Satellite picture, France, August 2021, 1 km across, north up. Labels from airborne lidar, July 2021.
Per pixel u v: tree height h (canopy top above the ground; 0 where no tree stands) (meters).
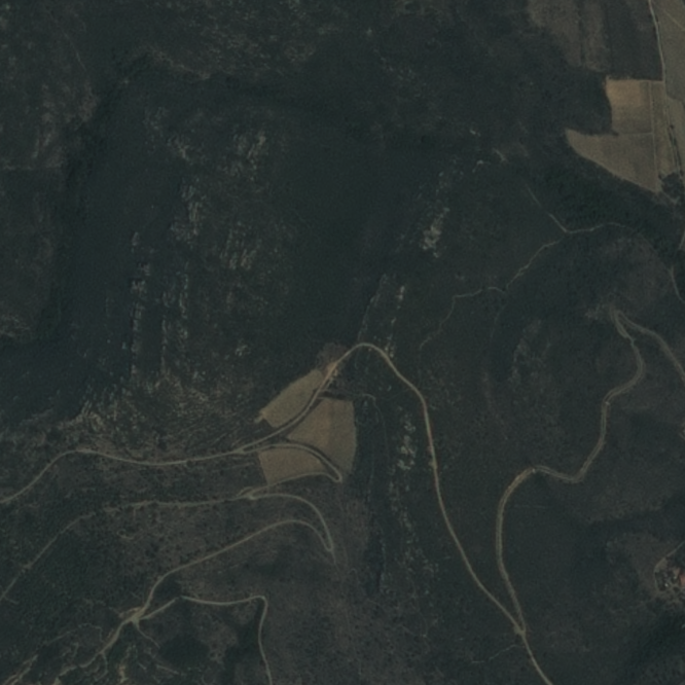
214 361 0
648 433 0
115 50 10
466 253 0
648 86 0
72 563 7
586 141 0
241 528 6
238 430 0
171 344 0
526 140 7
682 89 0
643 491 0
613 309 0
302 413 0
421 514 0
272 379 0
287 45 0
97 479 6
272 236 0
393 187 0
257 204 0
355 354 0
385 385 0
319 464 0
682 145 0
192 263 0
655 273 0
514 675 0
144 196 0
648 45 0
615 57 0
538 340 0
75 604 9
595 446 0
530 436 0
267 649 0
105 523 7
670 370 0
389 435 0
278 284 0
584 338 0
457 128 0
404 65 0
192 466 8
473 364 0
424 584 0
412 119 0
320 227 0
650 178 0
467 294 0
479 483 0
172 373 0
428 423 0
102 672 5
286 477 0
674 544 0
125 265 0
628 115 0
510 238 0
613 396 0
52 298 5
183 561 9
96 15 0
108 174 0
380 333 0
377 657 0
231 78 12
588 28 0
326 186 0
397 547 0
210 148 0
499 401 0
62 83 0
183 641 7
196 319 0
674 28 0
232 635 0
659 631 8
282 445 0
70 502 6
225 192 0
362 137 5
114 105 7
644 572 0
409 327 0
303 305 0
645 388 0
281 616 0
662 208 6
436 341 0
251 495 0
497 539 0
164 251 0
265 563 0
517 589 0
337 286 0
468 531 0
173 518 0
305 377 0
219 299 0
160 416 0
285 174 0
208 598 0
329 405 0
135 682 7
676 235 0
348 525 0
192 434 0
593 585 0
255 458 0
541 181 9
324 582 0
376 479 0
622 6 0
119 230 0
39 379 0
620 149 0
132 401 0
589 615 0
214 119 0
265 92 5
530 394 0
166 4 0
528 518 0
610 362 0
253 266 0
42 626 6
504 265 0
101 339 0
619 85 0
